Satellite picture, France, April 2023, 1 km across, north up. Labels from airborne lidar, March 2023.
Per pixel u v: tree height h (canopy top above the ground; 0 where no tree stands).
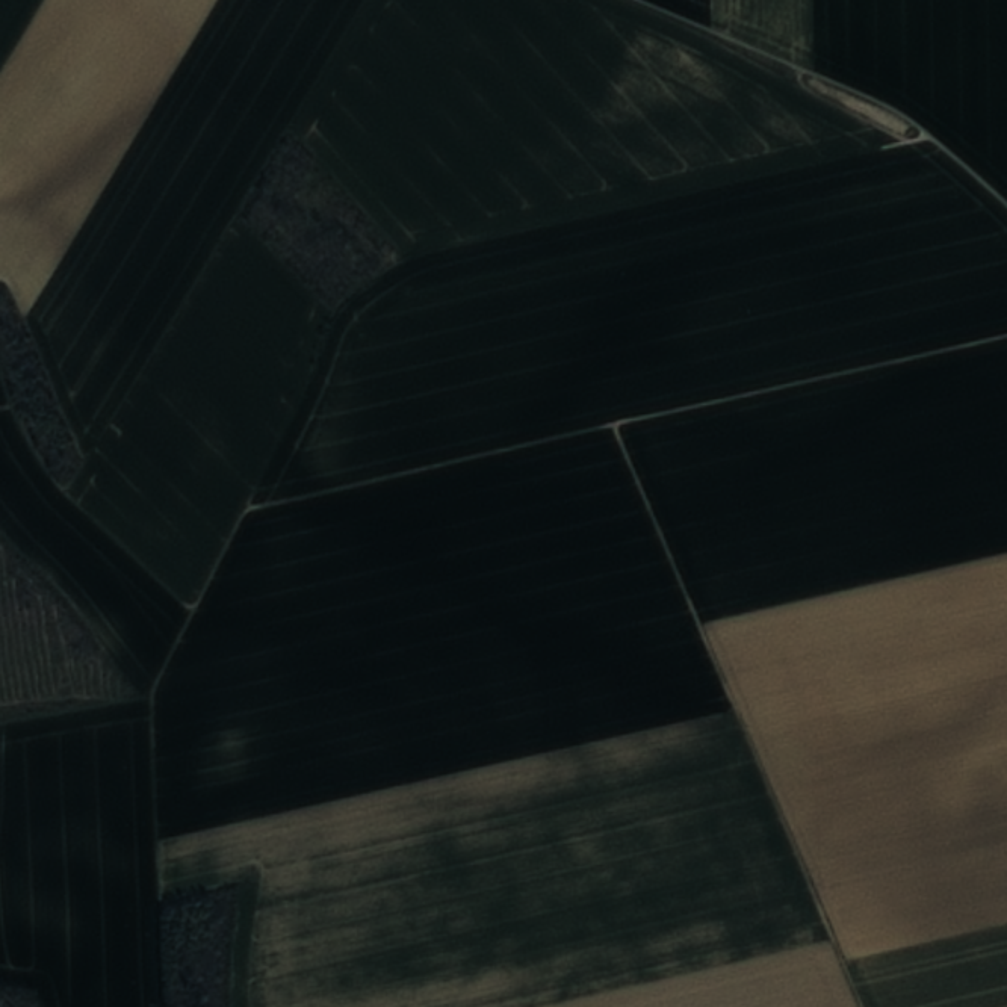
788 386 0
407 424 0
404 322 0
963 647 0
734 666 0
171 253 0
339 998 0
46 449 7
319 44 0
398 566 0
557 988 0
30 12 0
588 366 0
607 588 0
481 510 0
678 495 0
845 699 0
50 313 0
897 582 0
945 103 0
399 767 0
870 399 0
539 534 0
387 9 0
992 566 0
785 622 0
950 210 0
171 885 0
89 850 0
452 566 0
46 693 0
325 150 0
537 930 0
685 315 0
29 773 0
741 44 0
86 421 0
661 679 0
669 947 0
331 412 0
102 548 0
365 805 0
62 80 0
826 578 0
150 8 0
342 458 0
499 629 0
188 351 0
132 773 0
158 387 0
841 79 0
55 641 0
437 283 0
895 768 0
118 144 0
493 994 0
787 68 0
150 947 0
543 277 0
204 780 0
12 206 0
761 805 0
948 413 0
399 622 0
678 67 0
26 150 0
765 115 0
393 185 0
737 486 0
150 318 0
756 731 0
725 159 0
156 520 0
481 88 0
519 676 0
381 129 0
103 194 0
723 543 0
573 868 0
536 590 0
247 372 0
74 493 0
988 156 0
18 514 0
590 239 0
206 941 10
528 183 0
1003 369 0
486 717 0
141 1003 0
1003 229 0
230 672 0
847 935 0
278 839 0
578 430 0
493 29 0
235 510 0
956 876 0
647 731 0
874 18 0
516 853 0
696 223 0
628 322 0
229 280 0
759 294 0
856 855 0
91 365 0
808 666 0
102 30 0
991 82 0
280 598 0
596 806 0
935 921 0
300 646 0
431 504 0
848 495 0
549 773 0
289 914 0
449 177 0
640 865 0
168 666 0
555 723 0
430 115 0
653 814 0
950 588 0
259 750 0
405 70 0
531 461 0
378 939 0
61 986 0
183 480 0
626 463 0
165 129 0
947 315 0
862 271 0
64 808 0
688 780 0
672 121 0
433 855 0
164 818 0
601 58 0
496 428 0
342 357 0
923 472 0
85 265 0
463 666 0
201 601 0
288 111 0
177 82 0
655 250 0
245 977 0
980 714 0
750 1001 0
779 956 0
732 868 0
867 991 0
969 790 0
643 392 0
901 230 0
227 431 0
